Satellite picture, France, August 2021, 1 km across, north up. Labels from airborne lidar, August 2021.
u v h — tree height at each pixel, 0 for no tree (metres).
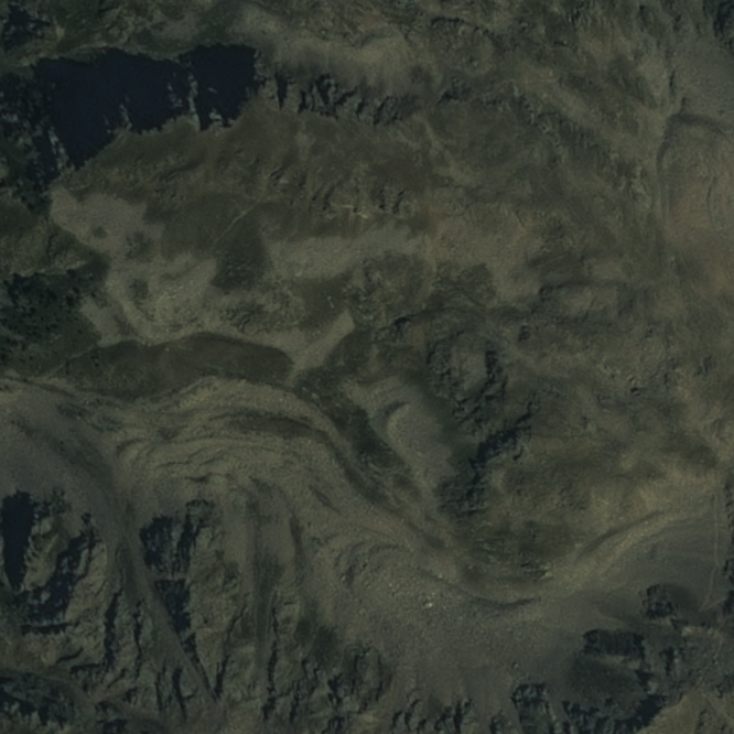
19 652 0
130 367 0
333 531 0
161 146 0
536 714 0
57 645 0
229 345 0
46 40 0
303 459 0
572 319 0
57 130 0
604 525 0
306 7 0
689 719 0
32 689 0
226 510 0
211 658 0
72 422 0
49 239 0
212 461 0
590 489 0
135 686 0
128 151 0
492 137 0
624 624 0
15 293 18
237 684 0
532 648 0
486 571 0
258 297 0
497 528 0
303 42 0
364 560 0
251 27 0
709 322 0
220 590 0
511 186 0
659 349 0
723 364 0
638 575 0
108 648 0
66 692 0
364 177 0
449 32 0
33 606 0
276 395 0
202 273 0
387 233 0
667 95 0
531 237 0
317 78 0
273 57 0
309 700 0
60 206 0
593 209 0
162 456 0
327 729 0
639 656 0
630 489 0
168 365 0
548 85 0
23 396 0
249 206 0
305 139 0
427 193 0
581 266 0
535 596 0
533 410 0
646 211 0
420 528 0
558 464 0
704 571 0
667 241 0
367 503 0
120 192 0
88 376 0
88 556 0
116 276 0
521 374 0
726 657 0
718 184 0
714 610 0
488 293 0
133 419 0
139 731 0
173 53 0
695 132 0
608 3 0
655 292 0
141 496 0
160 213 0
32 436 0
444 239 0
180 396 0
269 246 0
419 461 0
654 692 0
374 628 0
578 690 0
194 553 0
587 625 0
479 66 0
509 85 0
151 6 0
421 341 0
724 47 0
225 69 0
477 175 0
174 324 0
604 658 0
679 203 0
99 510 0
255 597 0
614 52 0
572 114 0
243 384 0
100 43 0
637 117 0
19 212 0
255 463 0
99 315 0
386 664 0
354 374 0
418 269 0
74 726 0
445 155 0
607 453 0
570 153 0
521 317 0
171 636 0
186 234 0
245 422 0
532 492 0
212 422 0
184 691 0
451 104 0
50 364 0
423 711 0
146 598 0
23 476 0
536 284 0
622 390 0
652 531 0
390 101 0
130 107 0
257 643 0
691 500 0
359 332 0
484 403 0
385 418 0
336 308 0
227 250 0
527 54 0
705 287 0
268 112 0
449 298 0
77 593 0
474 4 0
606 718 0
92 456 0
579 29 0
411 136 0
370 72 0
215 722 0
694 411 0
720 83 0
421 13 0
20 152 0
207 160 0
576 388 0
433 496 0
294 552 0
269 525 0
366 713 0
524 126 0
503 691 0
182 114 0
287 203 0
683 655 0
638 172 0
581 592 0
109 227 0
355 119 0
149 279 0
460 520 0
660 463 0
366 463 0
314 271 0
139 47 0
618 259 0
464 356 0
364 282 0
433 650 0
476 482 0
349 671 0
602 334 0
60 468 0
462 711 0
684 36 0
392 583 0
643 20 0
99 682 0
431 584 0
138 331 0
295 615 0
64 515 0
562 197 0
